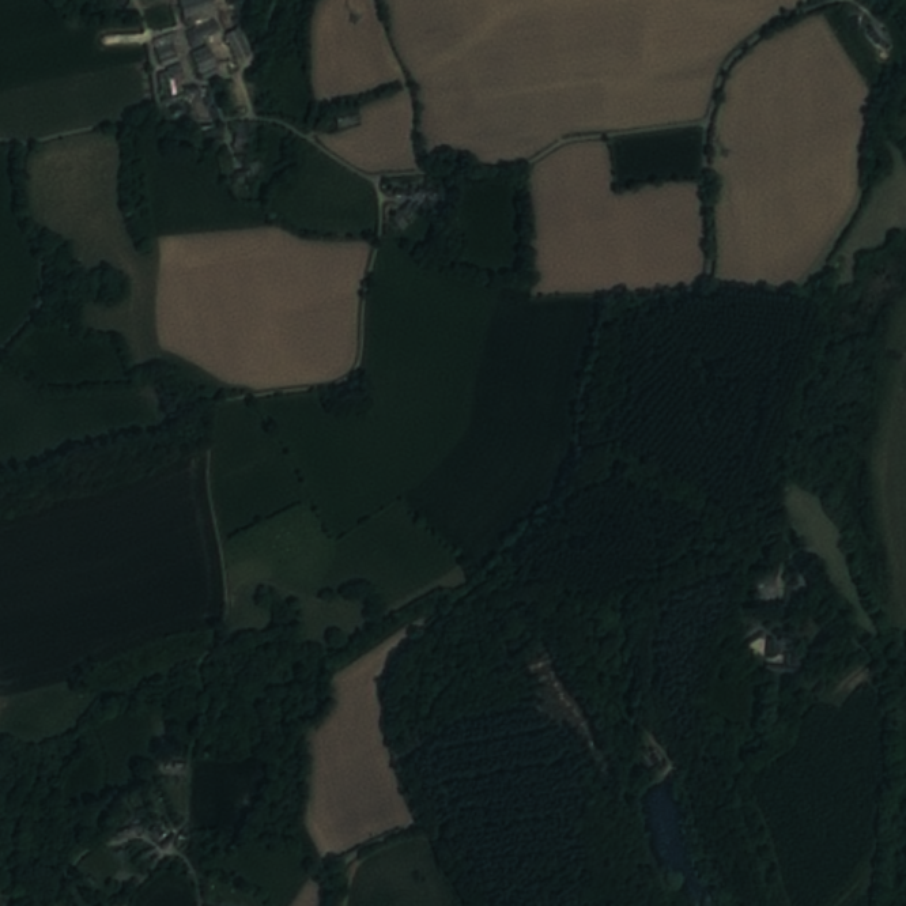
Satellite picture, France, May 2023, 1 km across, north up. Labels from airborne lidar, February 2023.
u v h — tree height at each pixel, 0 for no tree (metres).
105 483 20
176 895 0
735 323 40
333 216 0
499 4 0
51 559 0
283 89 0
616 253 0
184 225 0
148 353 0
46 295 20
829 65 0
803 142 0
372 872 0
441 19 0
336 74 0
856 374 7
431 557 0
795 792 5
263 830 9
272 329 0
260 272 0
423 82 0
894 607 0
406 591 0
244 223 0
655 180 12
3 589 0
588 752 21
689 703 17
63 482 22
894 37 0
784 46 0
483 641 11
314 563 0
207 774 0
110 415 0
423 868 0
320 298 0
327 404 14
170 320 0
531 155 0
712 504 33
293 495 0
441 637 19
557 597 25
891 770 21
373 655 0
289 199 0
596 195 0
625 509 21
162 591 0
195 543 0
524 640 16
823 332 11
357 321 0
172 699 15
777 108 0
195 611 0
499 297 0
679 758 16
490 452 0
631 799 18
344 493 0
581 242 0
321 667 16
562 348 0
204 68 0
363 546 0
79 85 0
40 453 0
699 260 0
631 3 0
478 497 0
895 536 0
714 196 16
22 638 0
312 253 0
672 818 0
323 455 0
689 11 0
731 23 0
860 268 8
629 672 19
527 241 14
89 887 7
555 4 0
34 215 0
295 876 0
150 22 0
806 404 14
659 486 20
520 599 28
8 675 0
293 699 14
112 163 0
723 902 22
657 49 0
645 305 20
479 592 21
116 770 0
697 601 20
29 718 0
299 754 15
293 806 7
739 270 0
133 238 9
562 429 0
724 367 35
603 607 21
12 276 0
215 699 16
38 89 0
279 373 0
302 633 12
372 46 0
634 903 24
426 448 0
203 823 0
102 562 0
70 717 0
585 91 0
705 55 0
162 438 17
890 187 0
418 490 0
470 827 15
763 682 15
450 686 13
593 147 0
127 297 9
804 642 7
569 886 15
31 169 0
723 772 19
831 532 0
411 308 0
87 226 0
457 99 0
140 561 0
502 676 15
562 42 0
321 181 0
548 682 26
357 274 0
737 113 0
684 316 38
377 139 0
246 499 0
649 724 20
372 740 0
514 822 18
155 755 20
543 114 0
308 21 9
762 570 17
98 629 0
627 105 0
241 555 0
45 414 0
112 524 0
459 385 0
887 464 0
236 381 0
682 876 0
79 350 0
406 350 0
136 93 0
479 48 0
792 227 0
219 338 0
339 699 0
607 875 22
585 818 19
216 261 0
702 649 20
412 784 18
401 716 17
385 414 0
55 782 14
